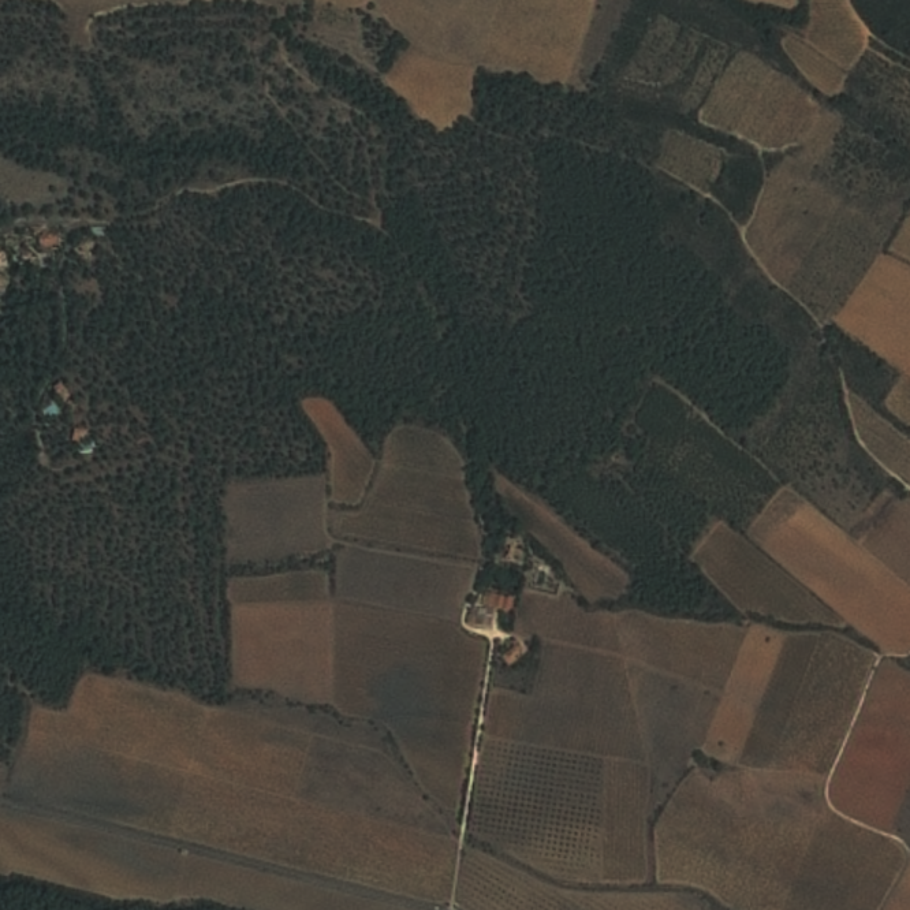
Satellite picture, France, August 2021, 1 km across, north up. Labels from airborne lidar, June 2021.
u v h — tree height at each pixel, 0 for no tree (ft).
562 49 0
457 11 0
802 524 0
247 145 42
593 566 0
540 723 0
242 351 39
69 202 34
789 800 0
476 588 28
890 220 0
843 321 0
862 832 0
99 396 42
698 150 0
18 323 41
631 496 31
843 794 0
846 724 0
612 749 0
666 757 0
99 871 0
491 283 41
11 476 42
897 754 0
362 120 35
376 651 0
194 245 35
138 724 0
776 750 0
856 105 38
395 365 29
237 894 0
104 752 0
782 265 0
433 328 44
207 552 52
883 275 0
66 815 0
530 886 0
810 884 0
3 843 0
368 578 0
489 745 0
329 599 0
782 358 41
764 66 0
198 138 39
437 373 41
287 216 34
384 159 46
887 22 0
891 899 0
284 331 46
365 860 0
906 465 0
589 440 37
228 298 42
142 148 29
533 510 0
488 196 40
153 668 47
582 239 43
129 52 31
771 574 0
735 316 45
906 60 24
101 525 44
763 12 41
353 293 40
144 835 0
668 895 0
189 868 0
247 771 0
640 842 0
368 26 28
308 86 0
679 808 0
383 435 19
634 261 47
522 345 33
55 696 31
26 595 42
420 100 0
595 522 27
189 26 38
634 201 29
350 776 0
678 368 46
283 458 38
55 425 41
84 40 0
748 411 40
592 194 36
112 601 31
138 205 23
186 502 34
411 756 0
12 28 31
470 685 0
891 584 0
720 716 0
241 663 0
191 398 40
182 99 0
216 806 0
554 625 0
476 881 0
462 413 54
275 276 36
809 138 0
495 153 40
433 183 38
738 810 0
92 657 51
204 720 0
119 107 39
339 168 41
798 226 0
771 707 0
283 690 0
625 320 44
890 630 0
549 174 36
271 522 0
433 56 0
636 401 41
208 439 39
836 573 0
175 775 0
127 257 32
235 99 0
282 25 31
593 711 0
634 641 0
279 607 0
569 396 35
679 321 49
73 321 39
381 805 0
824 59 0
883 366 37
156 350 40
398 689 0
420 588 0
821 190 0
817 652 0
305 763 0
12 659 42
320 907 0
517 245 35
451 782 0
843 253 0
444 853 0
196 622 35
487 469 52
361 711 0
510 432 35
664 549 38
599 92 41
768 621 22
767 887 0
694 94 0
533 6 0
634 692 0
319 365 41
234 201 37
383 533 0
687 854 0
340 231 41
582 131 35
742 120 0
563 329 33
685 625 0
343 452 0
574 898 0
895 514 0
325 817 0
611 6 0
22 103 34
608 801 0
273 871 0
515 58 0
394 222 47
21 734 28
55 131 35
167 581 29
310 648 0
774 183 0
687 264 38
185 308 44
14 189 0
